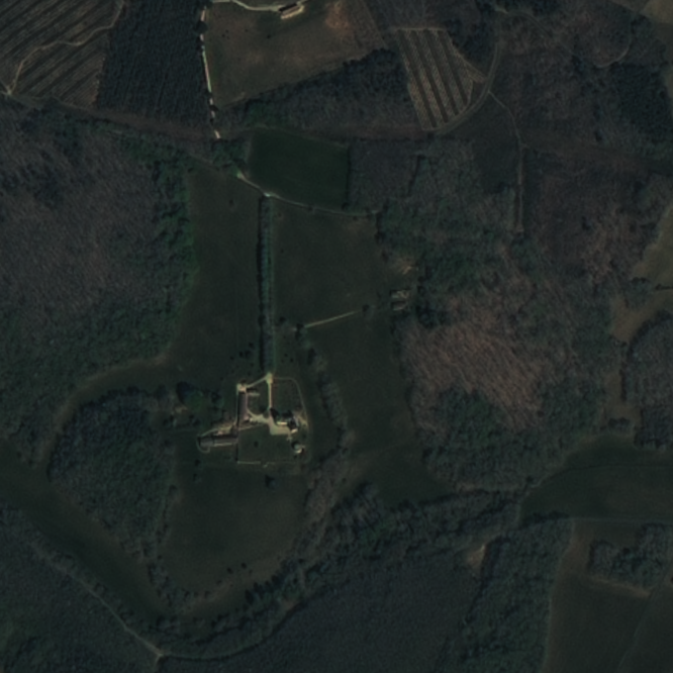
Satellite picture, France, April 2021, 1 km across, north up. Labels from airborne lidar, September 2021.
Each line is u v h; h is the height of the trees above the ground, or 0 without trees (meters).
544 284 29
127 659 22
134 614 15
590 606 0
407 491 0
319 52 0
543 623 24
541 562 24
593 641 0
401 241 19
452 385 29
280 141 0
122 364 18
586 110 8
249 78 0
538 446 26
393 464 0
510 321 15
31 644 14
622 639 0
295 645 18
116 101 12
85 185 21
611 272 16
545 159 7
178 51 6
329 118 17
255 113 18
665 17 0
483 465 21
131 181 25
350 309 0
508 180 6
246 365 0
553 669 0
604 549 18
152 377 0
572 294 25
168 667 0
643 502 0
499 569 26
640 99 20
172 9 6
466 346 28
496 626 25
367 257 0
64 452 17
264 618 19
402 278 0
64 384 22
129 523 19
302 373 0
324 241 0
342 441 12
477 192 20
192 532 0
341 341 0
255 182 0
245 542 0
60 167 18
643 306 13
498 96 6
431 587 22
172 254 22
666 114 21
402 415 0
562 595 0
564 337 31
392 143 13
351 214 14
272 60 0
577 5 20
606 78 11
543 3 15
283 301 0
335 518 19
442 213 20
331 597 23
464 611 16
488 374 27
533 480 20
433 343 17
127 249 23
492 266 29
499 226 26
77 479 25
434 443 26
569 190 6
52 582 23
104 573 0
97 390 0
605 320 20
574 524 16
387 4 21
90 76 0
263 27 0
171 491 11
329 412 22
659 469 0
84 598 16
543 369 31
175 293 24
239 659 15
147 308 15
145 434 23
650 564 21
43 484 0
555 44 19
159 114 10
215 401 9
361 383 0
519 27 17
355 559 14
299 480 0
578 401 30
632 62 11
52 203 23
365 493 20
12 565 21
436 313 18
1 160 19
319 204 0
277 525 0
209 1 14
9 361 24
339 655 24
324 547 22
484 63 20
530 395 24
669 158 14
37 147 15
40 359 24
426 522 18
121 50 9
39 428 22
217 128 18
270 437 0
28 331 23
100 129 21
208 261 0
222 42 0
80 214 17
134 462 22
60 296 21
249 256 0
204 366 0
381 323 0
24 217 21
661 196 17
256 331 0
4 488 0
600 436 14
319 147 0
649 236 18
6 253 18
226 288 0
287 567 19
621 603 0
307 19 0
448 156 19
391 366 0
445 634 20
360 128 7
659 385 15
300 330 14
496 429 24
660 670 0
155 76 9
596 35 8
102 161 17
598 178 6
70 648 22
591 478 0
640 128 19
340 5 0
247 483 0
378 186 14
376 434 0
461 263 21
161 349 21
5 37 0
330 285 0
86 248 24
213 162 18
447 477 21
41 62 0
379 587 23
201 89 10
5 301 23
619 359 21
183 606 25
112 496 23
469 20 8
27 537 19
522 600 24
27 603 23
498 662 28
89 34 0
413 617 22
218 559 0
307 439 8
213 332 0
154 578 19
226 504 0
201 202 0
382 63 22
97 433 17
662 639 0
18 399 22
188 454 0
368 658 24
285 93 18
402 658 15
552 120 5
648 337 22
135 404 20
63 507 0
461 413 23
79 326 26
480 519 14
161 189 25
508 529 20
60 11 0
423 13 16
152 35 10
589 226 15
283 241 0
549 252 7
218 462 0
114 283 25
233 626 14
